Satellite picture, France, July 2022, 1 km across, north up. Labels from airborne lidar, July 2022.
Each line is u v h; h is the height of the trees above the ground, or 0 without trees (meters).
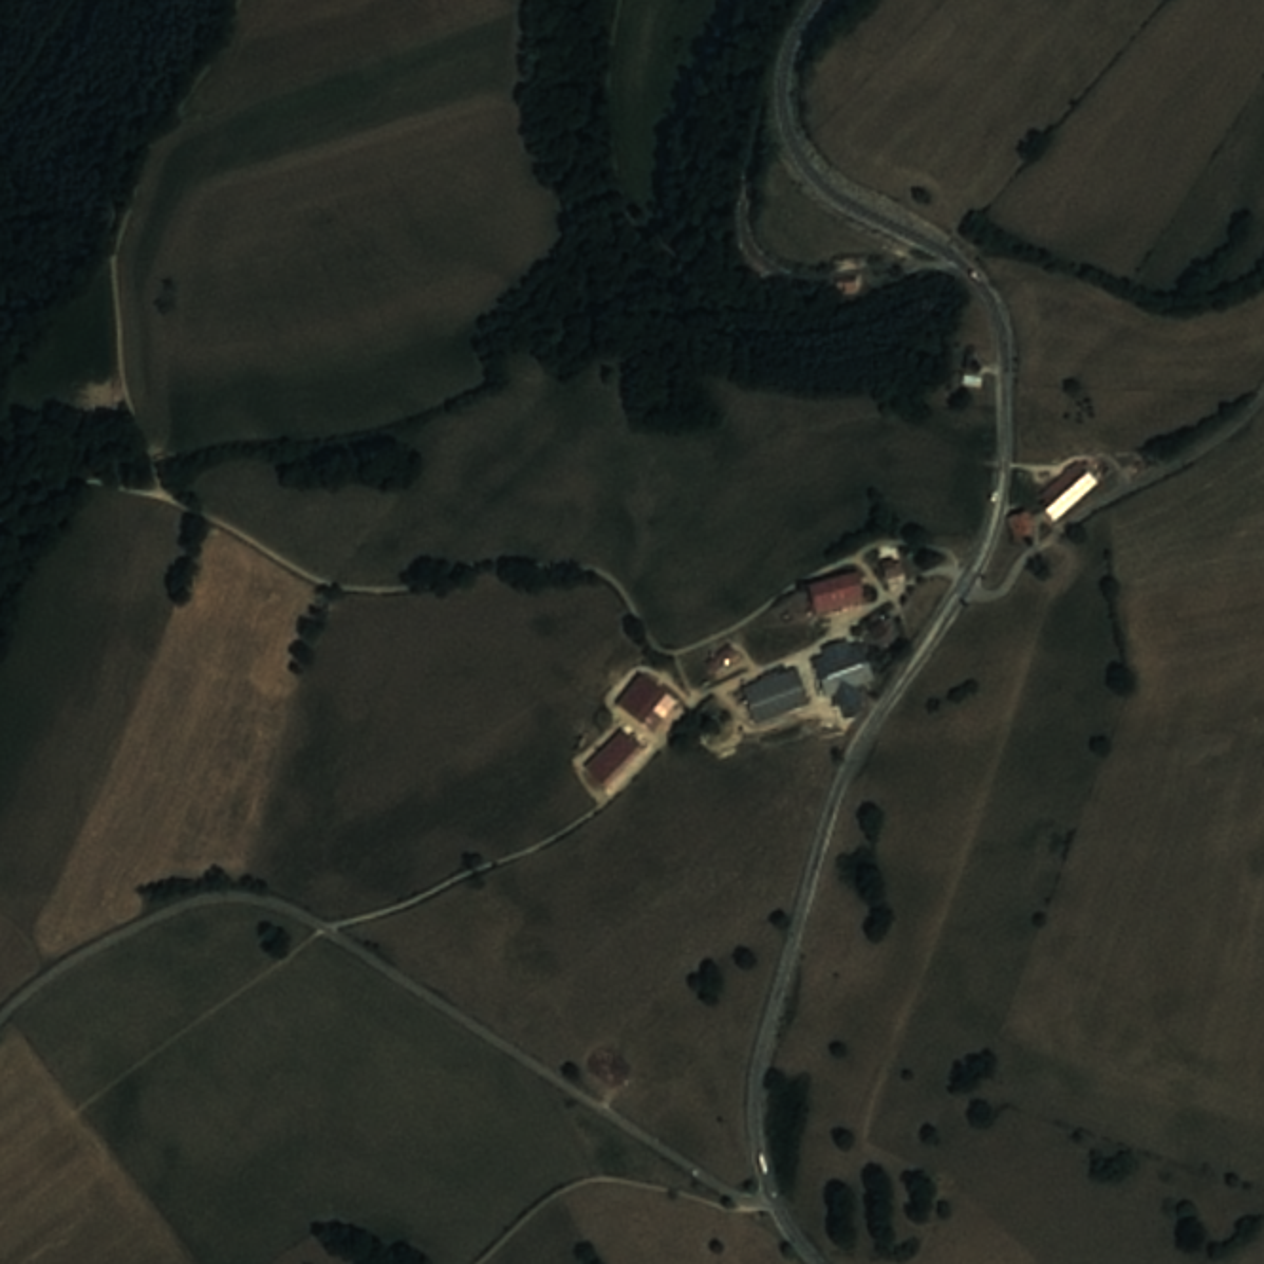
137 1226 0
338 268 0
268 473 0
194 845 0
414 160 0
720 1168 0
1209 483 0
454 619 0
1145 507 0
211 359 0
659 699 0
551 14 27
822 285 9
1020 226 0
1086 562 0
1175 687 0
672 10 0
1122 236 0
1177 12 0
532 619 0
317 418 0
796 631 0
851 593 0
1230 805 0
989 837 0
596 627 0
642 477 0
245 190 0
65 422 27
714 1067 0
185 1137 0
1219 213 0
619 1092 0
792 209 0
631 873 0
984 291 0
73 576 0
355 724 0
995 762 0
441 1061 0
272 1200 0
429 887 0
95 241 25
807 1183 0
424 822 0
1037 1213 0
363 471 23
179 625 0
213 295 0
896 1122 0
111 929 0
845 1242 18
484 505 0
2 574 28
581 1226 0
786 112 0
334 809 0
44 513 30
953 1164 0
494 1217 0
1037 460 0
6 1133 0
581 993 0
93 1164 0
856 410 0
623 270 29
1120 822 0
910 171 0
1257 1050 0
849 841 0
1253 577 0
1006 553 0
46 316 30
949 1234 0
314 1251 0
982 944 0
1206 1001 0
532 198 0
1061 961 0
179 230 0
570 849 0
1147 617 0
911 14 0
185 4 28
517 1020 0
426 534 0
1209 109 0
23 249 28
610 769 0
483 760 0
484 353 13
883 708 0
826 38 17
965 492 0
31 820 0
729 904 0
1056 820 0
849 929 0
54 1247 0
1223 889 0
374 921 0
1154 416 0
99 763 0
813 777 0
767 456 0
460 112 0
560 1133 0
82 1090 0
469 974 0
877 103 0
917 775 0
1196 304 14
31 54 26
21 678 0
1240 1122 0
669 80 0
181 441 0
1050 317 0
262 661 0
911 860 0
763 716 0
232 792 0
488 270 0
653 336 31
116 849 0
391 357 0
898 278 11
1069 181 0
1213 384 0
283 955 15
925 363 27
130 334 0
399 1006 0
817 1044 0
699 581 0
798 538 0
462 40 0
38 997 0
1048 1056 0
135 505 0
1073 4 0
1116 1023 0
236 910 0
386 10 0
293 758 0
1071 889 0
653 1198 0
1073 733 0
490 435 0
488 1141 0
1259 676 0
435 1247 0
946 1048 0
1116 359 0
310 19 0
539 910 0
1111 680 10
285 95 0
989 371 0
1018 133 0
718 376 17
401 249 0
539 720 0
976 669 0
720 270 27
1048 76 0
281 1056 0
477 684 0
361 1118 0
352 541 0
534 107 22
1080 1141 8
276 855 0
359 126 0
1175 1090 0
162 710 0
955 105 0
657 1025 0
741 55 33
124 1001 0
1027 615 0
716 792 0
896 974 0
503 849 0
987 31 0
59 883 0
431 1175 0
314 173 0
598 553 0
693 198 28
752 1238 0
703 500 0
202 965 0
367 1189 0
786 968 0
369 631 0
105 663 0
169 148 0
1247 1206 0
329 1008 0
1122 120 0
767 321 20
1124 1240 0
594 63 30
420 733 0
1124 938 0
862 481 0
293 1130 0
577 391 0
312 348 0
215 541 0
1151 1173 0
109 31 27
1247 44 0
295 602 0
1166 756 0
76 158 20
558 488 0
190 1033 0
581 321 24
